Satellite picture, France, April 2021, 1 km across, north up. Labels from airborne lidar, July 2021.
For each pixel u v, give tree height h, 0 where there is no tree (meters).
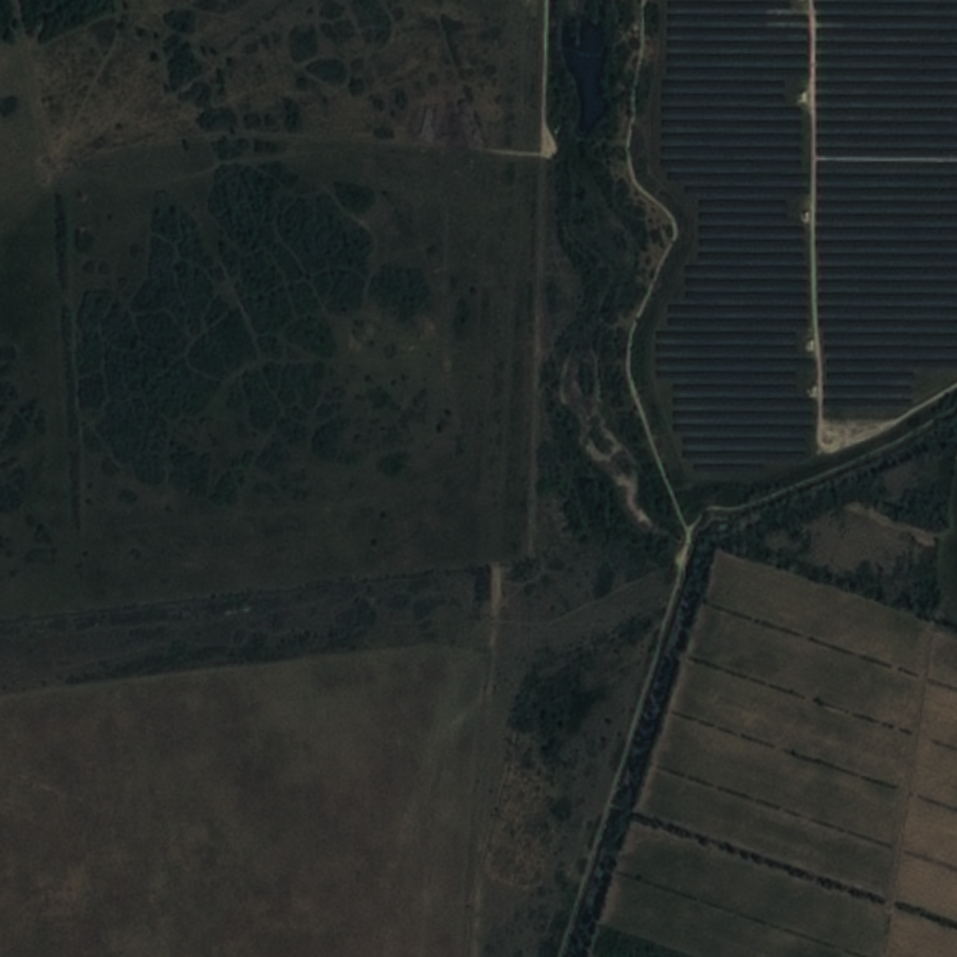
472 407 0
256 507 0
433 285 0
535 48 0
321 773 0
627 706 0
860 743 0
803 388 0
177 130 0
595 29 0
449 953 0
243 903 0
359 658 0
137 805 0
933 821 0
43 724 0
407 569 0
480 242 0
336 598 0
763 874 0
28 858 0
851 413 0
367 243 6
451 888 0
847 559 0
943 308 0
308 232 8
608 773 0
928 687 0
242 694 0
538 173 0
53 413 0
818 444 0
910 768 0
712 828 0
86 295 5
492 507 0
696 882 0
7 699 0
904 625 0
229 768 0
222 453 0
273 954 0
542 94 0
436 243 0
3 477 0
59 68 0
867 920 0
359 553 0
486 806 0
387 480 0
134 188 0
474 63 0
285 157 0
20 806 0
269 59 0
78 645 0
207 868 0
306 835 0
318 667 0
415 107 0
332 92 0
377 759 0
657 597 0
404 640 0
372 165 0
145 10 0
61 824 0
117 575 0
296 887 0
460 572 0
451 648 0
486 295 0
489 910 0
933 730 0
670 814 0
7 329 0
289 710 0
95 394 7
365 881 0
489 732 0
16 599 0
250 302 8
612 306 0
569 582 0
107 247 0
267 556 0
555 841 0
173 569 0
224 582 0
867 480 9
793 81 0
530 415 0
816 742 0
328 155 0
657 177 0
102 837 0
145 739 0
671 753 0
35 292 0
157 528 0
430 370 0
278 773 0
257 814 0
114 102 0
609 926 0
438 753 0
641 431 6
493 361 0
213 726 0
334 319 0
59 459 0
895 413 0
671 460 0
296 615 0
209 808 0
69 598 0
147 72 0
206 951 0
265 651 0
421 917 0
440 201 0
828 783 0
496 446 0
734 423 0
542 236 0
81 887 0
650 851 0
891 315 0
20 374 0
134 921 0
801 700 0
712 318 0
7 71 0
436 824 0
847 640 0
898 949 0
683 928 0
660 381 0
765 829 0
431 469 0
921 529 5
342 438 0
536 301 0
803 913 0
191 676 0
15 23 7
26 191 0
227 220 6
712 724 0
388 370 0
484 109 0
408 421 0
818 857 0
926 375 0
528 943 0
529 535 0
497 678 0
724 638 0
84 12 12
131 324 7
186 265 6
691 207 0
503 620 0
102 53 0
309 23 0
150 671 0
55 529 0
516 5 0
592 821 0
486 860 0
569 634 0
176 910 0
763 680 0
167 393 7
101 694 0
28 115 0
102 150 0
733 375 0
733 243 0
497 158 0
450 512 0
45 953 0
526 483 0
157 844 0
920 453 13
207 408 0
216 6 0
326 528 0
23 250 0
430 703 0
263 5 0
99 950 0
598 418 0
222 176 7
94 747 0
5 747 0
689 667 0
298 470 0
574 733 0
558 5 7
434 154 0
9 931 0
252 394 9
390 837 0
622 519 6
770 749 0
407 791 0
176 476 6
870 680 0
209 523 0
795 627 0
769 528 6
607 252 0
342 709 0
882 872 0
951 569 0
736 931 0
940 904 0
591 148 6
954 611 0
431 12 0
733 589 0
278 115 0
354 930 0
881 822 0
